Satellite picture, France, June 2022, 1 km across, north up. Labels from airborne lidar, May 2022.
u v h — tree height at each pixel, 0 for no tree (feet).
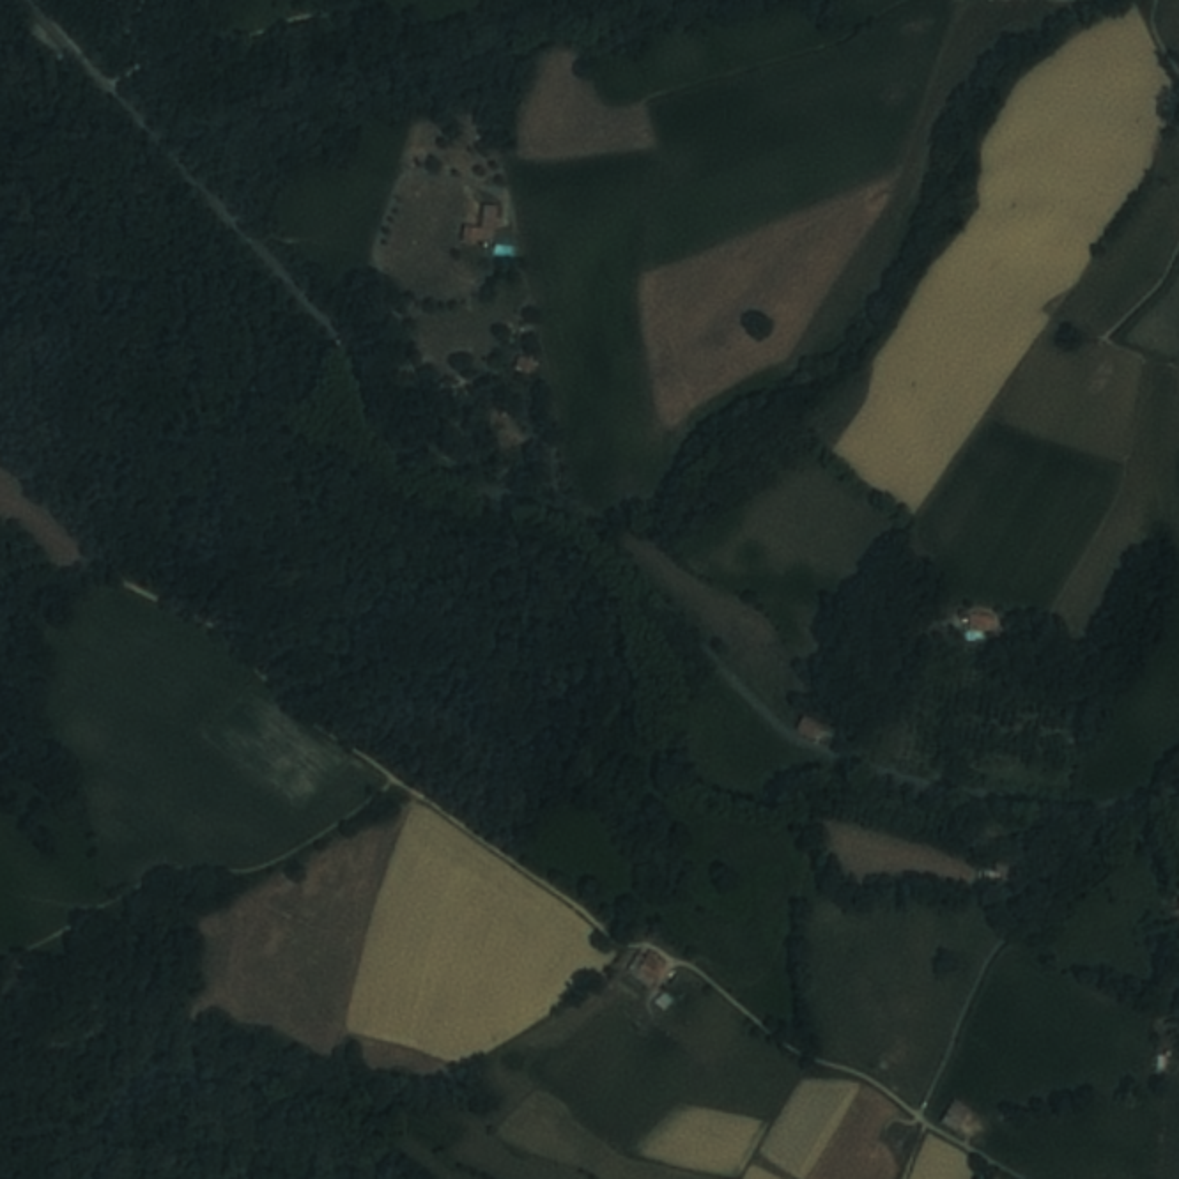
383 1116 42
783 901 0
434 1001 0
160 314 75
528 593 92
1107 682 80
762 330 75
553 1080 0
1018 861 73
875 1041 0
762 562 0
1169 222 0
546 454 68
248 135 84
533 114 0
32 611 39
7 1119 38
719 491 55
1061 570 0
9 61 93
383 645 94
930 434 0
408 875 0
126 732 0
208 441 90
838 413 0
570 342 0
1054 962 56
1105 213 0
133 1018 70
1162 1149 0
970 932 0
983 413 0
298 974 0
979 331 0
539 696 85
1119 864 67
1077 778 30
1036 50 65
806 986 56
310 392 97
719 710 0
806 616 0
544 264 0
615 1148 0
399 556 77
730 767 0
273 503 85
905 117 0
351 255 0
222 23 24
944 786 51
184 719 0
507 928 0
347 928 0
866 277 0
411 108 27
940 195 67
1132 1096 47
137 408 22
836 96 0
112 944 66
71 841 0
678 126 0
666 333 0
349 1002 0
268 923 0
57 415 78
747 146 0
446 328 0
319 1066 66
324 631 80
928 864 0
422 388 54
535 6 56
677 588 0
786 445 61
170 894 64
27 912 0
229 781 0
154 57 53
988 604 0
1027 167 0
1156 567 84
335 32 44
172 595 76
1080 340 34
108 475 69
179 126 71
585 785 76
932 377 0
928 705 32
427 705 60
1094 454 0
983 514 0
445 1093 85
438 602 79
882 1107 0
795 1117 0
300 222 0
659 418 0
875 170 0
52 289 40
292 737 0
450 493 82
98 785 0
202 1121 45
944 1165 0
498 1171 0
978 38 0
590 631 81
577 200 0
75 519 77
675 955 0
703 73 0
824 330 0
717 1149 0
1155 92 0
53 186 69
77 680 0
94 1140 57
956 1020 0
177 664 0
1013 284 0
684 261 0
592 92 0
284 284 55
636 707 97
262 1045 46
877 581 66
